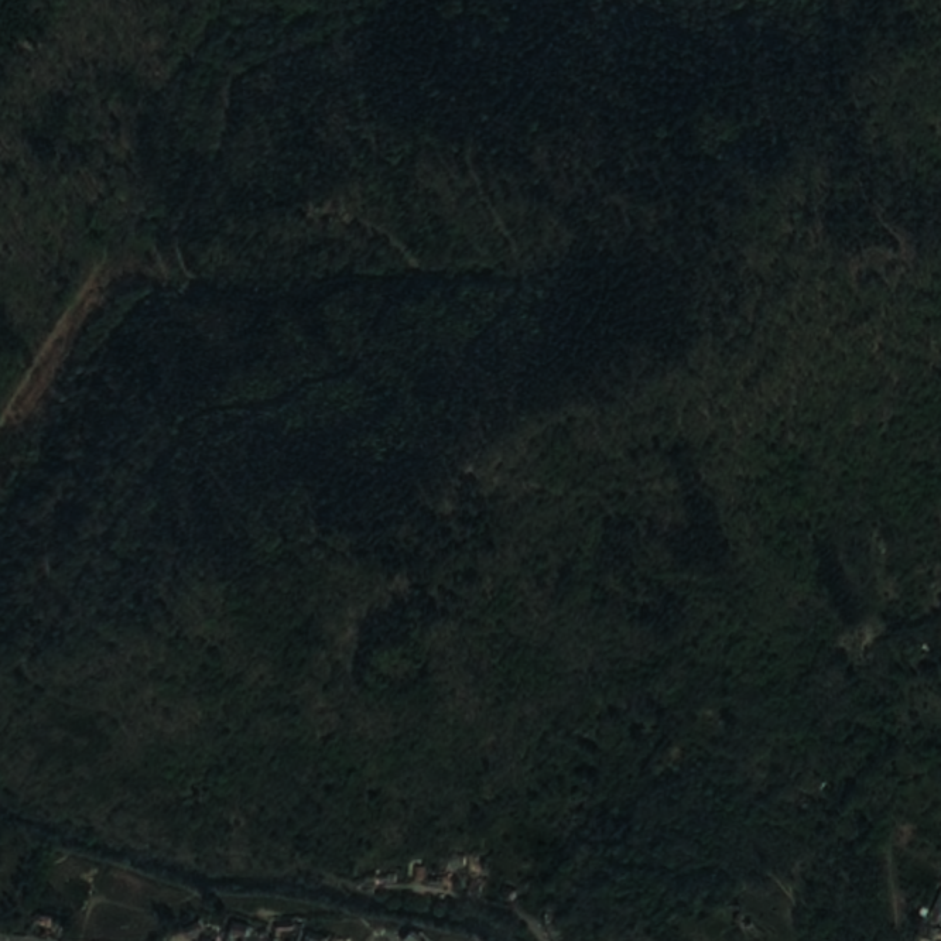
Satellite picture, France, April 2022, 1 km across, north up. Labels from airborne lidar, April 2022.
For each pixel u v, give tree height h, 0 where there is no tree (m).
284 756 24
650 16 42
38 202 17
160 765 16
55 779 8
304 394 20
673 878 22
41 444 9
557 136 10
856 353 23
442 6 18
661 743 16
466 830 17
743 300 18
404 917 16
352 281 26
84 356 15
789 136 19
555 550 15
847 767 22
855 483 15
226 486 19
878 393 22
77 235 31
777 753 12
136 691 14
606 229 17
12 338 28
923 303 23
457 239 22
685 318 19
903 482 23
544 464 16
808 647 24
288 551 13
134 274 0
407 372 16
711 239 11
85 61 30
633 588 20
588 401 17
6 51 7
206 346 28
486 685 9
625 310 21
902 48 28
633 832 20
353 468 24
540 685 19
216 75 22
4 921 19
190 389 21
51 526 10
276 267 15
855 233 24
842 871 20
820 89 26
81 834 12
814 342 22
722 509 22
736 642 15
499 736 17
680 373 14
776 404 26
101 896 0
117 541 26
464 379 15
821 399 21
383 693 17
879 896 24
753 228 12
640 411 11
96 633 21
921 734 18
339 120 17
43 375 0
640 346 17
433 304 23
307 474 21
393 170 23
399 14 31
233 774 15
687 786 19
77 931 0
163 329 22
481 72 23
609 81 15
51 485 8
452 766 8
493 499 11
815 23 24
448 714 17
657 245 18
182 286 23
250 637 6
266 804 7
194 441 21
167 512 21
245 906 0
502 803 11
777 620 18
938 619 18
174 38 25
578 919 12
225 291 24
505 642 23
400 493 21
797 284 24
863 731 19
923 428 13
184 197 19
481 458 15
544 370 17
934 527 15
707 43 29
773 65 29
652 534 21
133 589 20
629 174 17
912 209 30
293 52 23
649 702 25
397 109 25
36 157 27
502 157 18
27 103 20
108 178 31
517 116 24
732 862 12
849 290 21
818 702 12
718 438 13
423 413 19
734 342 13
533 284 22
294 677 7
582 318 24
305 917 9
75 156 33
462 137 20
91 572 26
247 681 18
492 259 13
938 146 24
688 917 7
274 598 13
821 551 24
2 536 26
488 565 16
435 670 18
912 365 19
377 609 13
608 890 20
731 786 20
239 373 23
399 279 25
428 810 7
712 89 29
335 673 13
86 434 9
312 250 19
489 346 19
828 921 24
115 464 20
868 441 19
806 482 22
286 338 26
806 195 25
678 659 17
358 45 28
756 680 14
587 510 9
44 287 15
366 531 22
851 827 23
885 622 9
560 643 22
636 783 11
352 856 10
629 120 21
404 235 21
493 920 12
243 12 21
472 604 19
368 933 0
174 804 7
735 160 17
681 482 14
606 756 18
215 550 17
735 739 18
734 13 10
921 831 6
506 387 19
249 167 21
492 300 23
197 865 9
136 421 17
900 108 20
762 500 10
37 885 15
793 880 18
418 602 15
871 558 25
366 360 19
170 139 32
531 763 12
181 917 9
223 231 12
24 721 10
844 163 29
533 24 22
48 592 26
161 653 19
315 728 15
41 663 20
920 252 15
